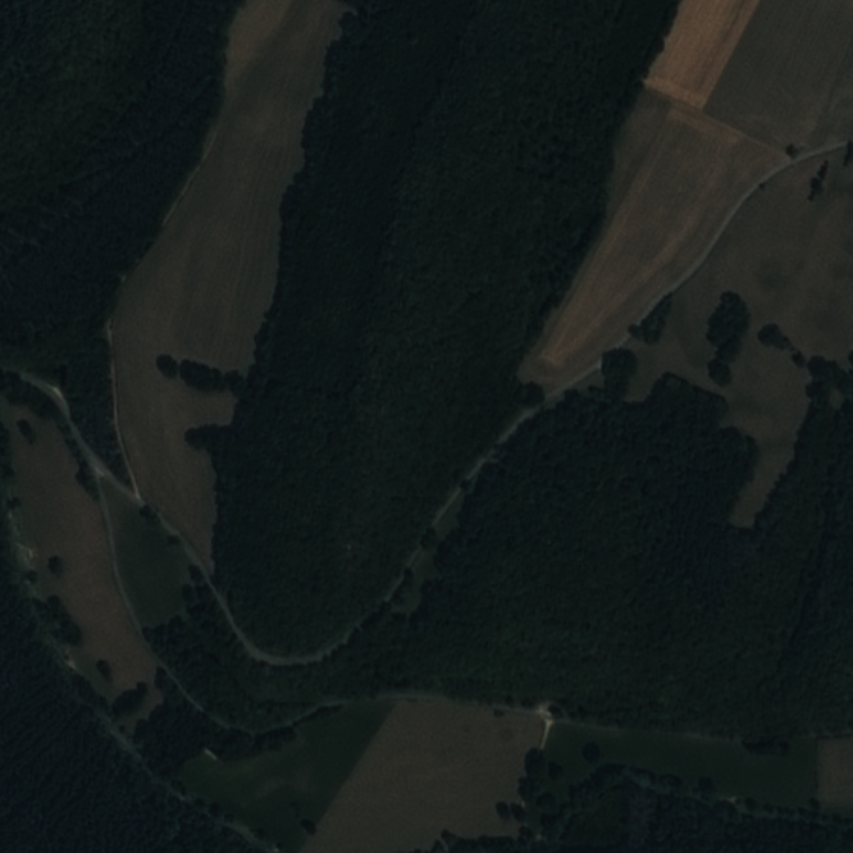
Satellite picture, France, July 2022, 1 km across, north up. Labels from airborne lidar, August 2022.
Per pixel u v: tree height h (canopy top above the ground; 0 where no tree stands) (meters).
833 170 0
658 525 19
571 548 16
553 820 21
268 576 15
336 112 14
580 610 12
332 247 10
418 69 10
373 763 0
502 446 13
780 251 0
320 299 10
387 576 17
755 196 0
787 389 0
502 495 16
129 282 0
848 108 0
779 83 0
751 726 14
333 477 14
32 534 0
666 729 17
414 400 14
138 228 19
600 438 18
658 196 0
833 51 0
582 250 17
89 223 21
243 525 20
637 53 13
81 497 0
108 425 17
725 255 0
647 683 10
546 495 15
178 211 0
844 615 13
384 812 0
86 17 10
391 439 12
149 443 0
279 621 15
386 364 8
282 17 0
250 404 20
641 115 0
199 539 0
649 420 15
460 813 0
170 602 0
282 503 16
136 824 37
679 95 0
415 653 12
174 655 18
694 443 15
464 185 14
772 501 17
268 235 0
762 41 0
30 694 28
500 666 8
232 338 0
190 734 19
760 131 0
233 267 0
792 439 0
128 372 0
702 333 0
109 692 0
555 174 18
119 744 18
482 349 20
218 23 18
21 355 13
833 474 25
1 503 12
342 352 13
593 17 18
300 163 0
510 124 18
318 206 14
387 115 8
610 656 10
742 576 12
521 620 8
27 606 16
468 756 0
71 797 33
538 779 17
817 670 12
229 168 0
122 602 0
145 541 0
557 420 16
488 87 15
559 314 0
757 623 16
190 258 0
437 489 20
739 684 14
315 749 0
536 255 18
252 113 0
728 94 0
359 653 18
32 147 19
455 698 19
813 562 20
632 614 14
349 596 12
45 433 0
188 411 0
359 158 10
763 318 0
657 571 17
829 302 0
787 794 0
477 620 14
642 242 0
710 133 0
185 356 0
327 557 17
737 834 13
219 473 19
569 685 13
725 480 19
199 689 15
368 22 15
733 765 0
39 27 21
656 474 18
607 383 8
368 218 11
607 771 22
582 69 20
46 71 15
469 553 21
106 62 17
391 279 8
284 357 12
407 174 14
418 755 0
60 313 19
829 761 0
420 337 10
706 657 13
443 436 20
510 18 13
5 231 21
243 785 0
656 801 7
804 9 0
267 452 21
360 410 12
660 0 13
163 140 20
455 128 14
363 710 0
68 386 15
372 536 15
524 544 16
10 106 12
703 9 0
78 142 15
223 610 15
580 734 0
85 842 35
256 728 14
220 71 13
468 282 17
